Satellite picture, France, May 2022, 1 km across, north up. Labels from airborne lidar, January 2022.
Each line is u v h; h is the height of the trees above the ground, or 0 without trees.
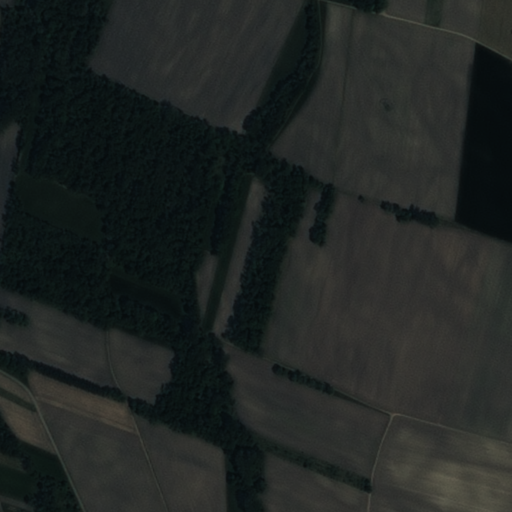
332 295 0
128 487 0
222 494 0
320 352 0
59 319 0
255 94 0
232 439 25
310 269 0
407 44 0
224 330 0
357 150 0
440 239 0
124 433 0
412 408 0
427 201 0
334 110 0
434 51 0
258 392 0
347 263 0
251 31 0
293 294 0
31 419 0
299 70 10
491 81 0
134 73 0
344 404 0
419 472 0
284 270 0
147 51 0
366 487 8
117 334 0
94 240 0
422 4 0
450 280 0
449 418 0
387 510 0
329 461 0
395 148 0
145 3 0
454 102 0
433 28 0
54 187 0
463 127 0
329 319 0
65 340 0
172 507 0
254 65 0
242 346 22
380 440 0
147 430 0
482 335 0
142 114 21
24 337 0
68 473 0
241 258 0
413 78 0
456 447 0
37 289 21
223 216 29
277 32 0
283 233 23
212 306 0
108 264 23
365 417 0
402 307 0
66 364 0
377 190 0
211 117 0
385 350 0
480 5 0
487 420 0
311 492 0
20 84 27
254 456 33
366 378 0
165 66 0
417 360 0
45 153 22
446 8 0
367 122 0
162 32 0
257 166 35
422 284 0
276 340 0
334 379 0
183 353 21
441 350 0
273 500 0
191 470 0
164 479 0
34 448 0
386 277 0
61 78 26
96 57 0
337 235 0
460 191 0
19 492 0
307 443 0
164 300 0
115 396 18
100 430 0
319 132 0
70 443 0
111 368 0
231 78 0
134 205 20
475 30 0
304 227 0
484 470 0
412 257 0
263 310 24
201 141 20
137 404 17
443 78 0
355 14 0
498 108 0
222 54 0
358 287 0
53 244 21
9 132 0
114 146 18
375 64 0
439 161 0
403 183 0
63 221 0
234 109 0
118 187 23
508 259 0
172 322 21
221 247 22
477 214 0
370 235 0
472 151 0
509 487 0
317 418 0
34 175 19
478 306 0
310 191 0
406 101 0
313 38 16
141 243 16
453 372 0
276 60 0
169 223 23
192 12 0
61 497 0
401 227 0
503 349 0
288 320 0
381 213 0
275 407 0
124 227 21
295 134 0
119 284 0
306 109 0
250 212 0
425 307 0
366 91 0
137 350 0
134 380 0
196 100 0
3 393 0
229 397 22
